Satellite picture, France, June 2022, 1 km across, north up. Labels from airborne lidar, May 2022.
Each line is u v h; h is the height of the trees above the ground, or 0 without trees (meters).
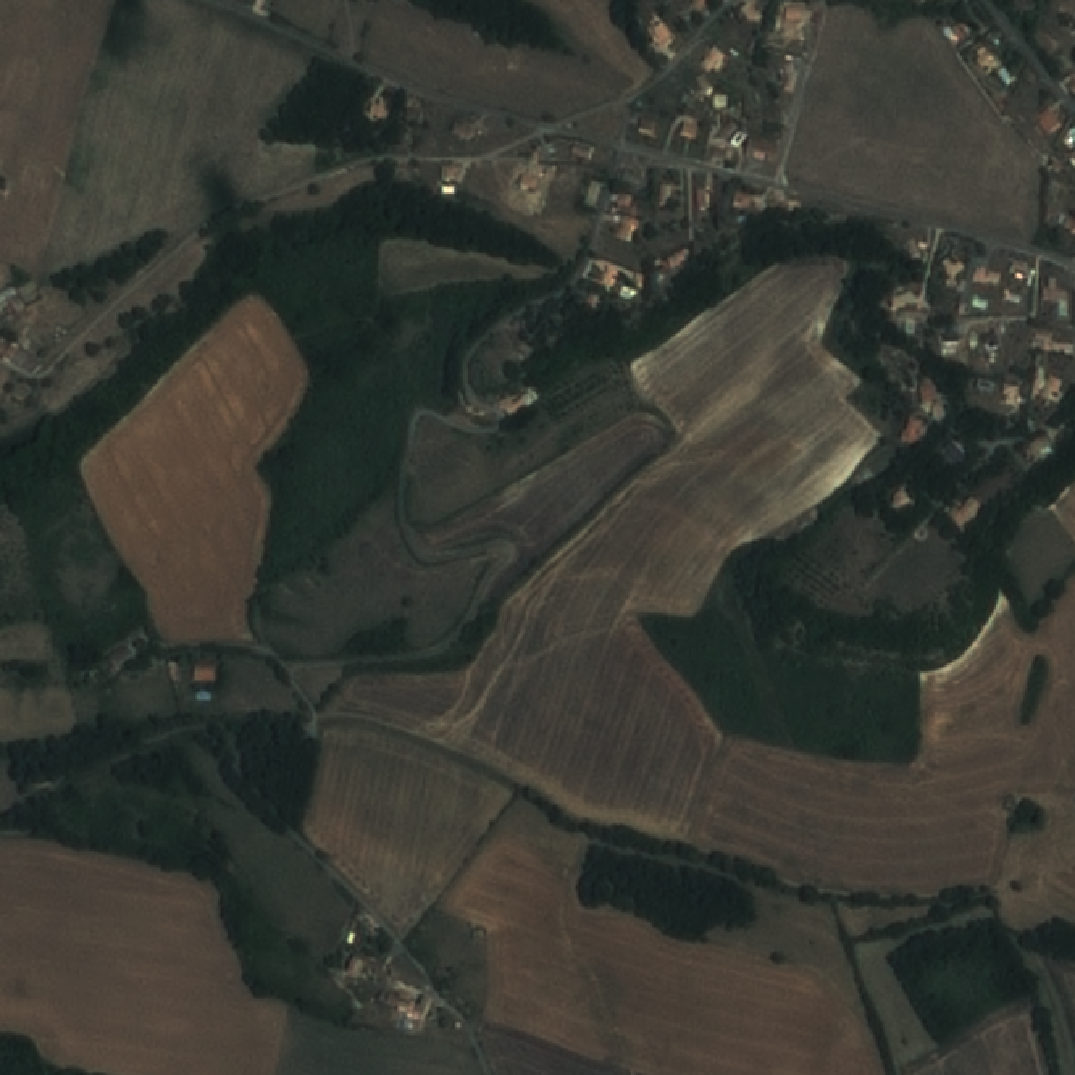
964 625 8
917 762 0
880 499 12
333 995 0
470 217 8
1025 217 0
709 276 17
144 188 0
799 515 0
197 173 0
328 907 0
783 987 0
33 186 0
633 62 0
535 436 0
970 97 0
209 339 0
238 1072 0
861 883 0
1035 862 0
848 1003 0
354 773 0
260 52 0
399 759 0
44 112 0
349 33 0
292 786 11
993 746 0
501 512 0
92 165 0
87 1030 0
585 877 10
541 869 0
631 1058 0
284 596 0
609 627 0
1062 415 11
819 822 0
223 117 0
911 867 0
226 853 5
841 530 0
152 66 0
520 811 0
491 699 0
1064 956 16
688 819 0
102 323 0
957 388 11
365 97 10
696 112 0
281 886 0
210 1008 0
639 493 0
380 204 15
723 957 0
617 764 0
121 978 0
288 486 6
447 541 0
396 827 0
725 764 0
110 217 0
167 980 0
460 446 0
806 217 8
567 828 18
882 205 0
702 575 0
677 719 0
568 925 0
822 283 0
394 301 6
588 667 0
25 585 0
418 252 0
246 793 15
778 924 0
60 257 0
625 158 0
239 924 13
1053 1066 10
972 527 9
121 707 0
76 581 0
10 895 0
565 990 0
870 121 0
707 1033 0
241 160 0
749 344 0
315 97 13
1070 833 0
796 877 0
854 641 11
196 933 0
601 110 0
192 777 9
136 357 11
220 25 0
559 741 0
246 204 8
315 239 16
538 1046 0
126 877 0
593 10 0
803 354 0
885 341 10
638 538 0
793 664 5
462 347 11
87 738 18
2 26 0
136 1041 0
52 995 0
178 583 0
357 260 8
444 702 0
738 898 21
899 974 12
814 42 0
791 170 0
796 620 13
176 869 10
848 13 0
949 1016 8
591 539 0
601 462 0
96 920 0
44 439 16
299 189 0
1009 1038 0
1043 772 0
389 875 0
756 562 14
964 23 11
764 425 0
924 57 0
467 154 0
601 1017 0
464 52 0
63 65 0
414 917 0
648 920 7
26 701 0
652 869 20
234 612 0
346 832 0
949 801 0
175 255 0
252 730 18
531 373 11
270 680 0
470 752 0
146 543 0
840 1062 0
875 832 0
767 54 8
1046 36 0
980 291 0
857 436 0
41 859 0
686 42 0
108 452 0
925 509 10
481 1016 0
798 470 0
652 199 8
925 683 0
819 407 0
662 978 0
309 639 0
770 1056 0
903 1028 0
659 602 0
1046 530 0
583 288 11
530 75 0
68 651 6
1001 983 9
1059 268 0
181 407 0
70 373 0
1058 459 13
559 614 0
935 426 12
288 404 0
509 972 0
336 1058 0
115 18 0
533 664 0
